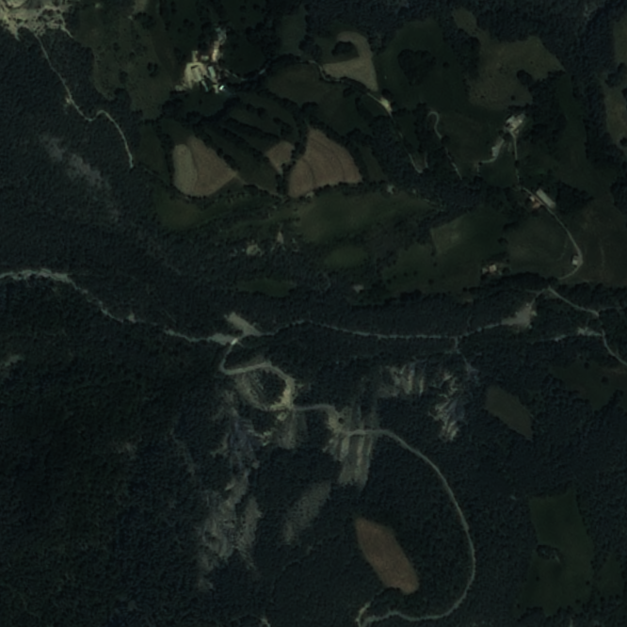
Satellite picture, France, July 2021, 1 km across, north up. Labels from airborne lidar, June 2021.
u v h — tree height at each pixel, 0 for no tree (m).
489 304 6
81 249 14
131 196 11
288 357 11
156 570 18
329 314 12
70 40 7
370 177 8
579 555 0
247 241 8
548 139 12
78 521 12
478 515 19
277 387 9
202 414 13
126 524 14
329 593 9
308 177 0
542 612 13
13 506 20
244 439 0
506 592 9
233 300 13
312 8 19
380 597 9
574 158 0
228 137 15
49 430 22
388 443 7
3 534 14
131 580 14
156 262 7
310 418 6
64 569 8
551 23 17
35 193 13
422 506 15
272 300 12
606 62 11
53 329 11
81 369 18
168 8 14
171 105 19
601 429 14
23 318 12
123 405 13
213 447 12
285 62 13
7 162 12
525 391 15
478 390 11
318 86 0
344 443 0
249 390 0
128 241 14
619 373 0
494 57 0
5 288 8
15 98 7
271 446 6
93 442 14
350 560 9
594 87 11
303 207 0
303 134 11
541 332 7
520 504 11
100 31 0
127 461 12
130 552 21
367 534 0
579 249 0
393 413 13
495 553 9
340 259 0
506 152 0
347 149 8
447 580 17
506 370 13
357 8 18
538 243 0
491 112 0
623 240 0
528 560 11
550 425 12
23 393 16
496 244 0
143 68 0
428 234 8
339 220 0
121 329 15
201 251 8
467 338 11
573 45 11
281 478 13
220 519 0
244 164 0
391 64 0
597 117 18
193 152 0
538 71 0
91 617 14
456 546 13
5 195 18
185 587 17
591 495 15
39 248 11
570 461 14
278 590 10
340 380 16
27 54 10
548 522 0
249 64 0
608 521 18
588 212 0
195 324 8
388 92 14
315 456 10
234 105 16
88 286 13
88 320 12
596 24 17
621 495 14
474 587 8
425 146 15
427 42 0
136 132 7
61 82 7
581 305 13
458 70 0
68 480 18
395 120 8
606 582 0
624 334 12
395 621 9
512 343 7
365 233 8
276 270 12
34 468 26
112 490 17
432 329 8
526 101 0
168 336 7
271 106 0
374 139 13
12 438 19
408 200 0
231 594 15
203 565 0
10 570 8
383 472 13
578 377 0
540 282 17
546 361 25
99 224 10
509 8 12
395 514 7
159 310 9
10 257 11
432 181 8
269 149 0
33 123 7
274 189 0
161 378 14
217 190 0
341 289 13
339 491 9
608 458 10
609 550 10
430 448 8
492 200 6
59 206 10
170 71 0
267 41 13
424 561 6
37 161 11
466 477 10
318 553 9
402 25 13
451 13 10
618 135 0
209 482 10
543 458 14
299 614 8
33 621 10
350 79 8
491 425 16
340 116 0
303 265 11
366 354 8
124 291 13
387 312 13
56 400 22
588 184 0
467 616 8
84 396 10
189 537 16
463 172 0
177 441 8
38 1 0
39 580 8
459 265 0
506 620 9
